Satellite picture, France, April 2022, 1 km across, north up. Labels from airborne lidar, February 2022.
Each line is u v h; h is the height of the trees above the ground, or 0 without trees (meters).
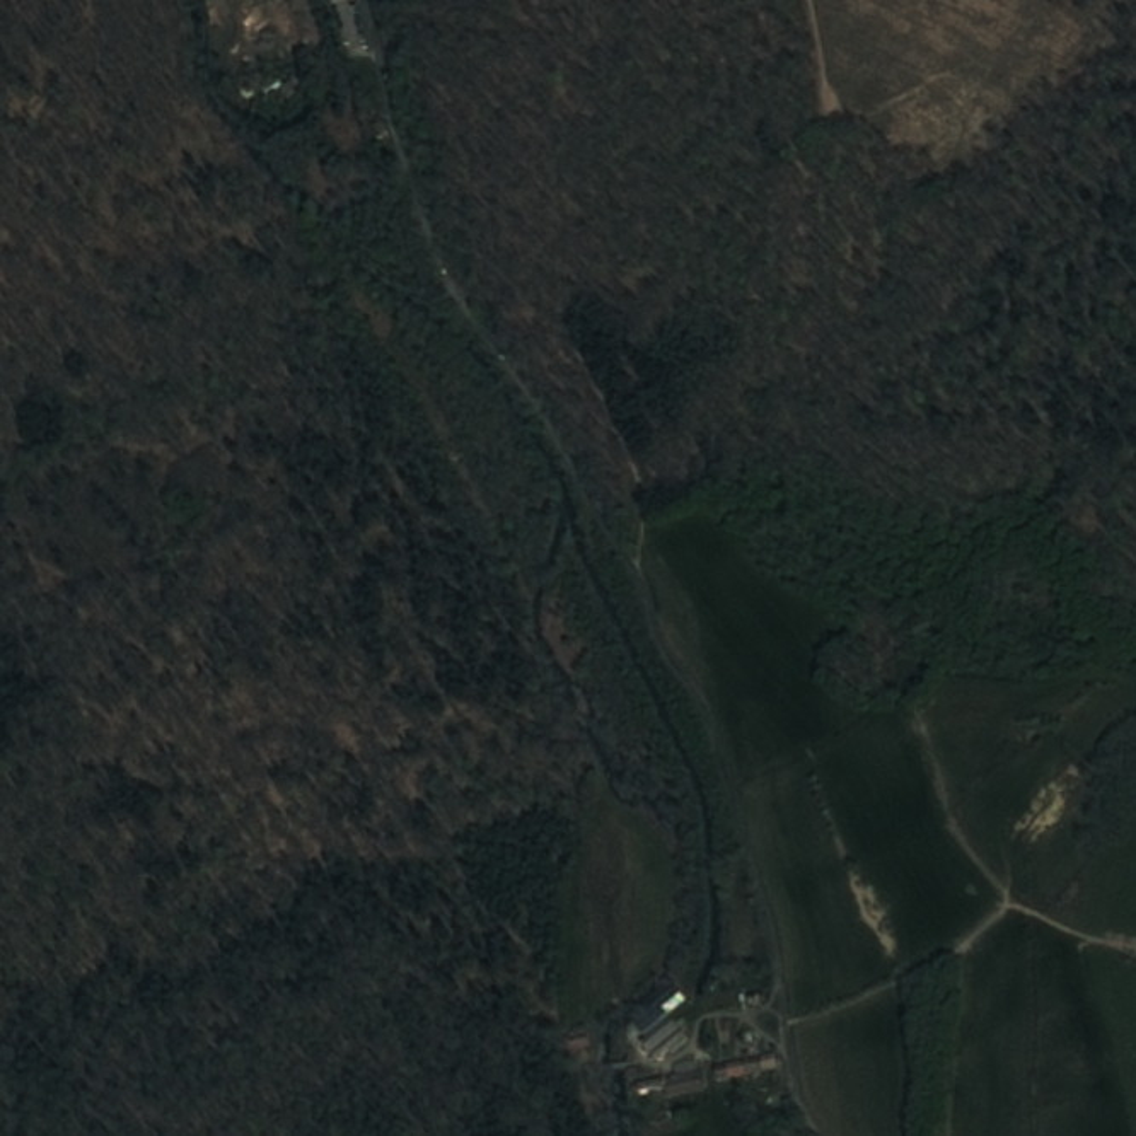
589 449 30
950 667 14
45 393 31
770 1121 20
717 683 0
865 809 0
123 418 29
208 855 28
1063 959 0
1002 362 28
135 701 28
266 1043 26
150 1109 30
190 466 25
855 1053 0
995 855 0
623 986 0
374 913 31
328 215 11
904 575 21
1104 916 0
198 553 28
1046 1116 0
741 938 0
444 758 23
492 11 29
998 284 29
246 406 26
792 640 0
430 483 27
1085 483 28
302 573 27
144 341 30
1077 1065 0
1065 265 28
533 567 18
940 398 25
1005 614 14
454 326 18
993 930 0
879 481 29
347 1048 27
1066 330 19
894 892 0
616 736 15
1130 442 25
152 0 33
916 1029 24
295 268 27
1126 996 0
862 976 0
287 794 30
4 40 24
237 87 15
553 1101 27
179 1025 26
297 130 17
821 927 0
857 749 0
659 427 21
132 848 33
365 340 23
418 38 28
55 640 28
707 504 22
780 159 23
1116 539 29
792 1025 0
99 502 18
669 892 0
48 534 20
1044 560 18
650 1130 20
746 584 0
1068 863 0
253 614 28
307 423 28
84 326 31
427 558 32
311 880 25
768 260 25
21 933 24
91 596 28
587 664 15
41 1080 27
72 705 31
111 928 23
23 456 22
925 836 0
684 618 0
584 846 12
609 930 0
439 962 8
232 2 0
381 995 26
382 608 35
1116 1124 0
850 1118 0
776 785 0
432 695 34
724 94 26
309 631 26
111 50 24
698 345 21
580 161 26
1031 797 0
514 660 28
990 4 0
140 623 33
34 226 32
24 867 27
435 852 26
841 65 0
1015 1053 0
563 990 15
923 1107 19
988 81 0
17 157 6
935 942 0
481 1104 26
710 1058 0
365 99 11
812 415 29
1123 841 13
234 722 30
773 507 17
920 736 0
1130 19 36
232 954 21
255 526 25
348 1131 28
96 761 32
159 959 27
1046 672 17
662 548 0
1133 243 25
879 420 26
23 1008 28
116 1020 23
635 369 13
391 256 21
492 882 18
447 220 22
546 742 10
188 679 27
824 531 26
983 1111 0
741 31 24
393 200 19
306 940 27
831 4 0
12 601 27
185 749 30
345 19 0
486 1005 26
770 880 0
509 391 20
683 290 23
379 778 29
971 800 0
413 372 0
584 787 9
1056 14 0
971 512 28
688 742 7
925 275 28
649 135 28
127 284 30
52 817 27
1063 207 23
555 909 13
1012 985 0
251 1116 27
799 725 0
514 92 24
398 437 20
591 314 25
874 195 26
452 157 31
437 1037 26
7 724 24
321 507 25
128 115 28
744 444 31
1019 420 25
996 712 0
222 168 0
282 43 0
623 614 6
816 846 0
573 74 28
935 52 0
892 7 0
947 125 0
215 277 25
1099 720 0
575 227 24
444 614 23
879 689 28
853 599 28
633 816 0
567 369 22
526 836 17
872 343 28
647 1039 0
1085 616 18
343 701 24
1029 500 19
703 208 27
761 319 23
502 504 22
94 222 32
